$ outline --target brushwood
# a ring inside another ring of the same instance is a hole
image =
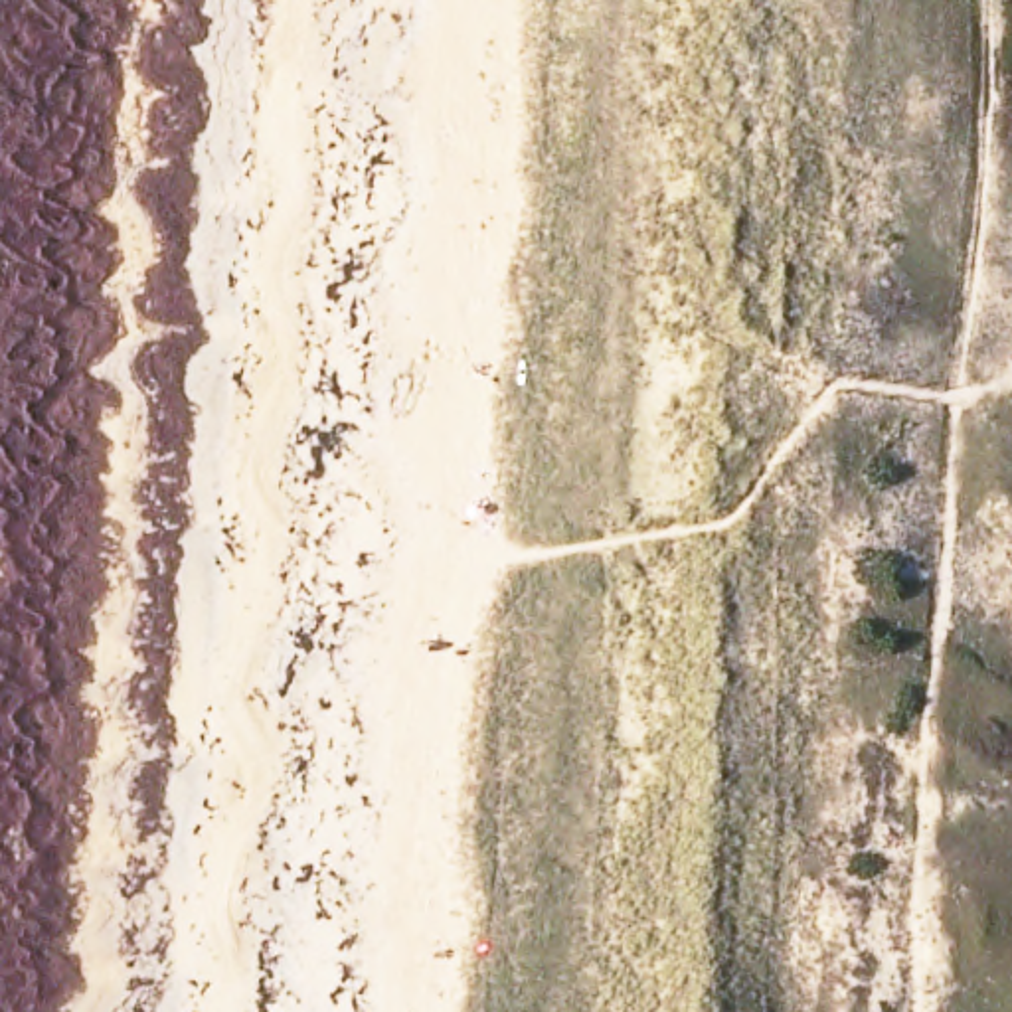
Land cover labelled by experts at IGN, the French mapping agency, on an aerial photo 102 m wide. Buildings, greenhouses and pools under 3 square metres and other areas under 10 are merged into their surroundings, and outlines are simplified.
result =
[[[937,581],[897,549],[858,553],[854,573],[866,585],[866,605],[842,636],[854,648],[893,652],[893,660],[901,664],[905,688],[886,723],[897,735],[917,731],[929,684]]]

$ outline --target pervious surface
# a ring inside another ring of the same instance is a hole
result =
[[[822,866],[814,882],[802,882],[795,889],[795,901],[787,909],[787,969],[795,972],[795,984],[802,984],[806,992],[818,992],[822,972],[834,972],[830,1012],[937,1012],[953,992],[949,937],[941,929],[937,909],[941,874],[933,866],[941,795],[933,763],[941,735],[937,716],[945,680],[945,640],[953,636],[957,644],[972,644],[980,652],[1012,652],[1012,281],[1000,269],[988,269],[988,237],[1000,217],[1000,154],[1000,0],[980,0],[988,99],[980,103],[980,186],[965,277],[961,320],[949,391],[838,376],[826,364],[818,364],[810,356],[810,344],[799,336],[791,352],[779,348],[775,364],[783,372],[775,376],[775,387],[787,391],[787,411],[795,427],[767,451],[767,463],[755,474],[751,494],[743,494],[731,514],[692,526],[633,530],[597,542],[518,549],[522,565],[538,565],[692,534],[723,534],[735,526],[747,530],[747,518],[771,486],[771,474],[779,474],[779,466],[806,443],[806,435],[838,411],[838,399],[846,391],[878,391],[897,399],[949,403],[937,581],[929,684],[917,731],[897,735],[886,723],[810,739],[814,775],[830,779],[834,791],[834,799],[818,806],[810,834],[834,862]],[[901,763],[893,787],[882,787],[874,795],[866,791],[866,771],[858,763],[862,743],[886,747]]]

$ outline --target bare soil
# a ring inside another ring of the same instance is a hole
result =
[[[901,763],[886,747],[862,743],[858,763],[866,771],[866,791],[874,795],[882,787],[893,787]]]
[[[822,866],[834,862],[810,834],[818,806],[834,799],[834,791],[830,779],[814,775],[810,739],[886,723],[905,688],[901,664],[893,660],[893,652],[854,648],[842,636],[866,605],[866,585],[854,573],[858,553],[897,549],[937,581],[949,403],[897,399],[878,391],[846,391],[838,399],[838,411],[806,435],[806,443],[779,466],[779,474],[771,474],[771,486],[747,518],[747,530],[735,526],[723,534],[692,534],[538,565],[522,565],[518,549],[597,542],[633,530],[692,526],[731,514],[743,494],[751,494],[755,474],[767,463],[767,451],[795,427],[787,411],[787,391],[775,387],[775,376],[783,372],[775,364],[779,348],[791,352],[799,336],[810,344],[810,356],[818,364],[826,364],[838,376],[949,391],[961,320],[937,332],[909,328],[893,344],[878,336],[878,324],[862,312],[858,300],[886,285],[886,265],[893,261],[886,245],[889,233],[929,237],[965,277],[980,186],[980,103],[988,99],[980,0],[0,0],[0,1012],[830,1012],[834,972],[822,972],[818,992],[806,992],[802,984],[795,984],[795,972],[787,969],[787,909],[795,901],[795,889],[802,882],[814,882]]]
[[[1012,281],[1012,162],[1000,154],[1000,217],[988,237],[988,269],[1000,269]]]

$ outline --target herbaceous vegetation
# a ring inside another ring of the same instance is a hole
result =
[[[1000,0],[1000,154],[1012,162],[1012,0]]]
[[[1012,1012],[1012,652],[980,652],[972,644],[957,644],[953,636],[945,640],[945,680],[937,716],[941,735],[933,763],[941,795],[933,866],[941,874],[937,909],[941,929],[949,937],[953,992],[937,1012]]]
[[[961,320],[965,277],[929,237],[889,233],[886,245],[893,261],[886,265],[886,285],[858,300],[862,312],[878,324],[878,336],[893,344],[909,328],[937,332]]]

